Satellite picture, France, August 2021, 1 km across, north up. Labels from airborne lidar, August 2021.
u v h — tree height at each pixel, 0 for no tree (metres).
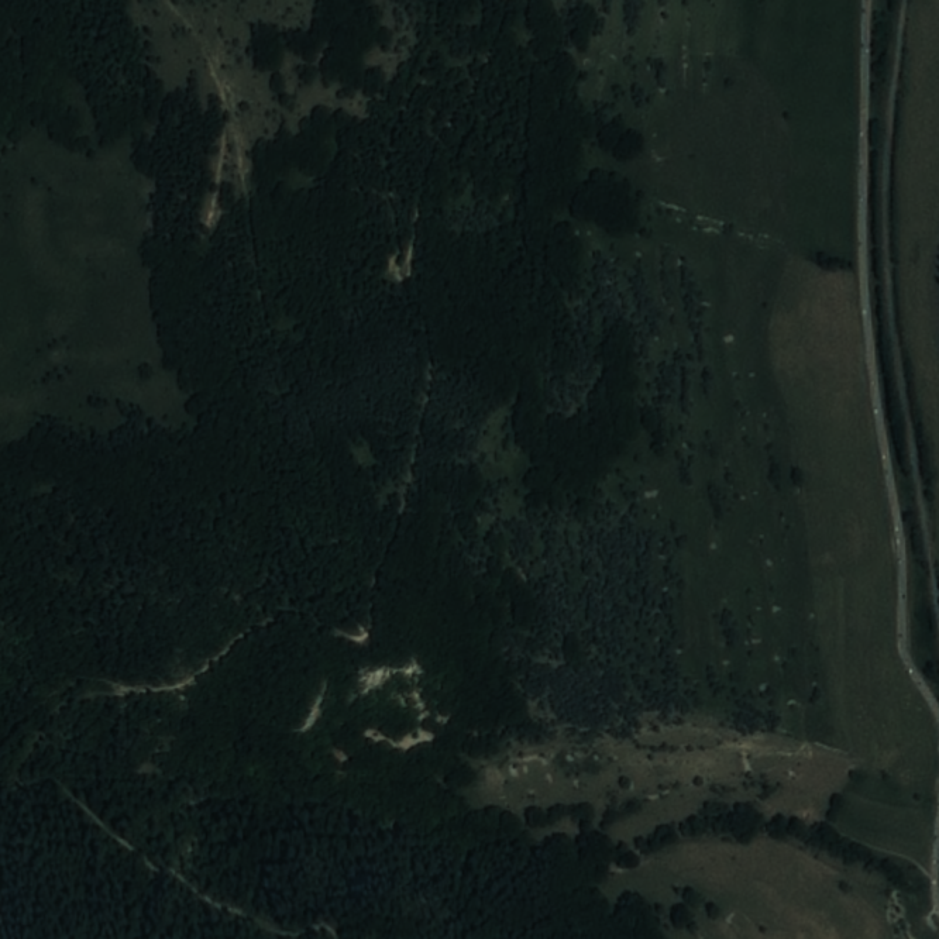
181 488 24
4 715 24
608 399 15
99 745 13
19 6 17
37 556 21
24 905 23
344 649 15
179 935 22
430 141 17
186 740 16
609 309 11
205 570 15
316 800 19
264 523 21
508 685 13
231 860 23
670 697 9
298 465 15
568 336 16
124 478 19
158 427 14
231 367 16
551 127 17
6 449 6
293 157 16
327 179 15
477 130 19
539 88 18
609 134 18
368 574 17
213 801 10
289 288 16
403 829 26
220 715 18
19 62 13
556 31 16
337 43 17
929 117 0
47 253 0
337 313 15
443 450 16
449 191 11
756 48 0
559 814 13
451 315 19
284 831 16
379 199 14
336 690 14
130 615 17
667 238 0
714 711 0
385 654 9
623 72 0
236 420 21
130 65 14
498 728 15
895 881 5
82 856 27
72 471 14
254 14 0
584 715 11
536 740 10
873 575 0
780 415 0
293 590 18
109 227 0
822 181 0
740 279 0
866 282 0
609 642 9
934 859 0
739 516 0
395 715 12
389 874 7
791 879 0
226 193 12
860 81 0
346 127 13
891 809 0
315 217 17
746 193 0
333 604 16
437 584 13
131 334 0
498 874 27
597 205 23
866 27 0
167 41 0
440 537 12
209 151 15
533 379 15
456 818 19
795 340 0
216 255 11
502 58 15
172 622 12
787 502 0
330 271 17
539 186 22
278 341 12
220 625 8
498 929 22
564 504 8
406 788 19
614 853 19
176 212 14
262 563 20
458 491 14
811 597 0
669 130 0
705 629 0
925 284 0
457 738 18
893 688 0
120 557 16
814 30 0
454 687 13
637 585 11
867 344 0
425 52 12
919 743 0
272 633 20
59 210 0
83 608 7
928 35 0
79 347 0
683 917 19
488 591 13
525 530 11
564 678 11
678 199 0
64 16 16
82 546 14
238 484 19
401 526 14
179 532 13
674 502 0
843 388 0
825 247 0
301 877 20
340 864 16
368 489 13
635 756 0
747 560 0
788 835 7
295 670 18
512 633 12
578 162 18
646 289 7
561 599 9
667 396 8
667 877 0
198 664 8
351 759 15
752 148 0
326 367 16
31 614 24
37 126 7
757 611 0
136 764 12
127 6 9
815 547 0
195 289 18
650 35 0
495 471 0
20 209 0
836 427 0
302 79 11
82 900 15
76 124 13
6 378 0
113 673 13
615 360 21
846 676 0
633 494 6
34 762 10
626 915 24
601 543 11
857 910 0
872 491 0
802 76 0
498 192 16
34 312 0
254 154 9
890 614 0
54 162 0
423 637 14
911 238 0
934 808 0
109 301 0
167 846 14
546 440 14
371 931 17
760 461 0
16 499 18
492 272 21
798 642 0
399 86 17
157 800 29
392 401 16
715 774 0
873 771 0
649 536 10
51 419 12
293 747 18
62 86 12
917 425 8
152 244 11
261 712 23
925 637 0
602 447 22
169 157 14
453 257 19
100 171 0
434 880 16
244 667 20
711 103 0
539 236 19
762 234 0
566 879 23
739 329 0
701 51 0
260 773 25
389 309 10
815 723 0
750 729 7
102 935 15
